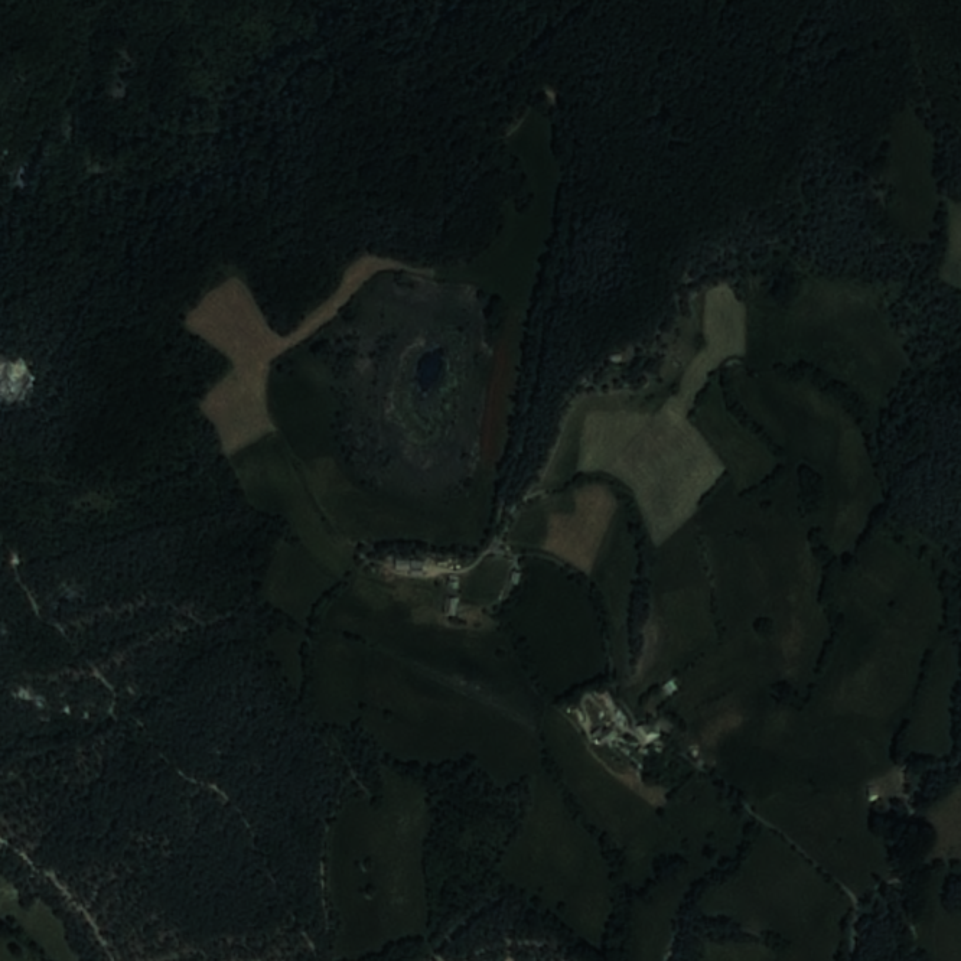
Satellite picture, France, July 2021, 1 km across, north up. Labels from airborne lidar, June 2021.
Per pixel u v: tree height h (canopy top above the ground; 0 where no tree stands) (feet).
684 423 0
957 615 28
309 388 0
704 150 89
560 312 69
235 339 0
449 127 83
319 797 44
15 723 33
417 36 57
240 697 37
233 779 37
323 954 35
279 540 31
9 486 24
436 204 62
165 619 37
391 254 43
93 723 39
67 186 43
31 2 43
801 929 0
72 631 33
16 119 43
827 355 0
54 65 56
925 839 77
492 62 88
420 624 0
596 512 0
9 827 28
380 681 0
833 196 36
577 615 0
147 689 29
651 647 0
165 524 45
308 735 46
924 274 41
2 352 17
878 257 43
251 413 0
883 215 33
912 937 39
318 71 86
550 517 0
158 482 36
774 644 0
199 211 53
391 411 0
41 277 49
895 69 63
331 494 0
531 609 0
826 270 24
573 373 44
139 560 42
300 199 69
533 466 24
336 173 81
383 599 0
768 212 52
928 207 0
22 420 45
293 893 49
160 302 65
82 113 29
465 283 0
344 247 45
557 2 77
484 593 0
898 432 44
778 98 57
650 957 0
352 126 77
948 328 28
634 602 32
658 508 0
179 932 37
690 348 0
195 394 39
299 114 67
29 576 38
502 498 26
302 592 0
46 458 22
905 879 67
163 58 38
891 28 57
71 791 54
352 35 95
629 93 77
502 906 52
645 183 70
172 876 37
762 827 33
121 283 89
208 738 38
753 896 0
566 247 47
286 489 0
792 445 0
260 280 50
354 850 0
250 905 48
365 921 0
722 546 0
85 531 30
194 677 48
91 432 57
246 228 59
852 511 0
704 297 0
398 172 90
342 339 37
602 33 68
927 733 0
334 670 0
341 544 0
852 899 0
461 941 48
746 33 75
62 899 37
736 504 0
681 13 73
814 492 31
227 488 39
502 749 0
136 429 56
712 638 0
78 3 30
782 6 53
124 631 22
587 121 80
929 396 38
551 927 69
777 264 31
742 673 0
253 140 58
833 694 0
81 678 22
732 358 0
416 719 0
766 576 0
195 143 52
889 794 0
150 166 32
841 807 0
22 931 51
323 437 0
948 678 0
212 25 25
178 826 29
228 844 38
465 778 25
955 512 39
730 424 0
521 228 0
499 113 43
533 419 48
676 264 47
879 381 0
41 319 39
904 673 0
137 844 66
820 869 29
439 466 0
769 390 0
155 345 74
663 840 0
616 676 30
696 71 94
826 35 37
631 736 30
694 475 0
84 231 36
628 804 0
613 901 34
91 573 27
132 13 22
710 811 0
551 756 24
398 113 85
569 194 47
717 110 87
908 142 0
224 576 38
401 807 0
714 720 0
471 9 100
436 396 0
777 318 0
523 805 28
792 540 0
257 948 38
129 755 51
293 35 20
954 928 0
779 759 0
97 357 61
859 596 0
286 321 45
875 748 0
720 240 34
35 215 56
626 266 71
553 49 86
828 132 53
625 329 52
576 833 0
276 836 48
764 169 71
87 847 52
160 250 77
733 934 36
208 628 42
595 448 0
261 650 33
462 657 0
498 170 73
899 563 0
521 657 35
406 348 0
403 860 0
